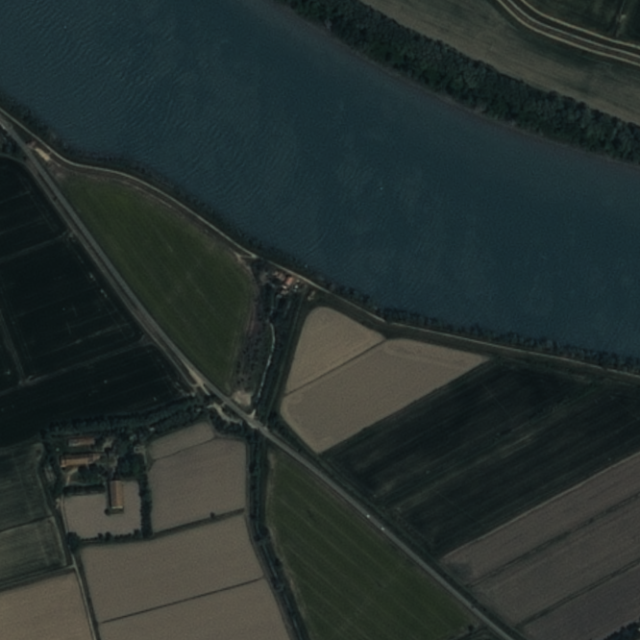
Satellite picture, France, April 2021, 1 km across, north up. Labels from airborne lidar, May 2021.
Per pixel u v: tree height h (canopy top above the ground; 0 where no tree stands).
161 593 0
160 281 0
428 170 0
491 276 0
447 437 0
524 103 28
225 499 0
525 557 0
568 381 0
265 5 0
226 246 0
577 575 0
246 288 0
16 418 0
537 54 0
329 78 0
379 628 0
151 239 0
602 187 0
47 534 0
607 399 0
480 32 0
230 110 0
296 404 0
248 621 0
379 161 0
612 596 0
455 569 0
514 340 11
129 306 0
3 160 0
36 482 0
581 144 13
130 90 0
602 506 0
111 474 13
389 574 0
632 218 0
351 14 24
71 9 0
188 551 0
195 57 0
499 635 0
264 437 15
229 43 0
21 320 0
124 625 0
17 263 0
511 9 0
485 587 0
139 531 9
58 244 0
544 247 0
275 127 0
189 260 0
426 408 0
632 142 28
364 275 0
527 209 0
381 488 0
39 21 0
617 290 0
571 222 0
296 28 0
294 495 0
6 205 0
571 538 0
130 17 0
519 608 0
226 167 0
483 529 0
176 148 0
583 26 0
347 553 0
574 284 0
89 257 0
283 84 0
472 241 0
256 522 17
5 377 0
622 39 0
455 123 0
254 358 9
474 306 0
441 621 0
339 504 0
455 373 0
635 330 0
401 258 0
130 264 0
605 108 0
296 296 10
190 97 0
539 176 0
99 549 0
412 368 0
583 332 0
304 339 0
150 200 0
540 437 0
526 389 0
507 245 0
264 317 8
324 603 0
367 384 0
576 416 0
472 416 0
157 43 0
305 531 0
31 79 0
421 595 0
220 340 0
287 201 0
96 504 0
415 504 0
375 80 0
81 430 18
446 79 14
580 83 0
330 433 0
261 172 0
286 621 0
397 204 0
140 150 0
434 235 0
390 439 0
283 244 0
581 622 0
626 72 0
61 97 0
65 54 0
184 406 14
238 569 0
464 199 0
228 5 0
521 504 0
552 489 0
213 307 0
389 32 27
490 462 0
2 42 0
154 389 0
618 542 0
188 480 0
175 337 0
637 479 0
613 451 0
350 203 0
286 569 0
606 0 0
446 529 0
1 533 0
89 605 0
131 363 0
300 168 0
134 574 0
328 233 0
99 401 0
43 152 0
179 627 0
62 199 0
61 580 0
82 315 0
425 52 27
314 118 0
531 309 0
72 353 0
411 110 0
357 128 0
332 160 0
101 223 0
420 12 0
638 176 0
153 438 14
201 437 0
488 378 0
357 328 0
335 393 0
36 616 0
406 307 0
